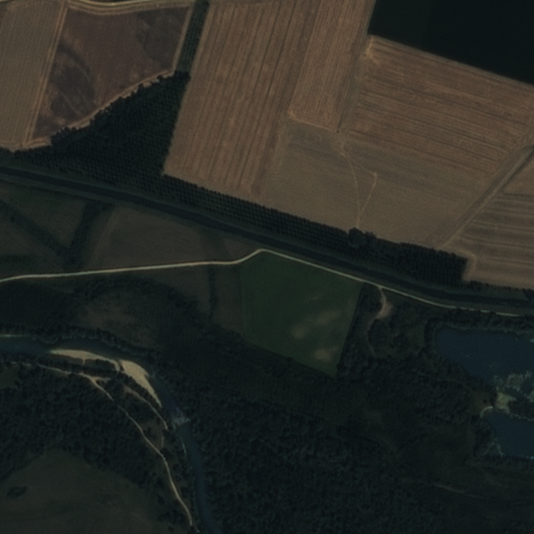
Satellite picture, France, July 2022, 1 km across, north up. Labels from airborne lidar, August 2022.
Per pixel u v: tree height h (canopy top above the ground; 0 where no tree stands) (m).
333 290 0
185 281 0
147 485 13
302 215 0
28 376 31
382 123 0
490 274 0
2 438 24
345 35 0
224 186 0
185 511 0
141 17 0
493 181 0
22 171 0
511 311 0
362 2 0
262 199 0
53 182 0
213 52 0
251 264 0
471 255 0
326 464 10
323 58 0
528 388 0
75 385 10
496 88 0
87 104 0
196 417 13
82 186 0
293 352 0
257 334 0
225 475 16
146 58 0
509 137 0
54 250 10
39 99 0
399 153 0
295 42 0
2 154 19
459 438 0
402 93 0
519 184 0
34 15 0
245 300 0
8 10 0
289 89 0
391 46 0
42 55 0
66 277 0
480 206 0
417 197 0
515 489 0
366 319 0
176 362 8
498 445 0
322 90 0
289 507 12
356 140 0
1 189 0
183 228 0
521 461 16
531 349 0
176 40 0
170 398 0
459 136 0
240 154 0
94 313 0
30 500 0
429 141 0
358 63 0
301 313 0
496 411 0
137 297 0
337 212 0
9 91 0
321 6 0
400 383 21
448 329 0
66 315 6
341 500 8
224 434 12
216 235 0
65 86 0
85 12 0
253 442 14
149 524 0
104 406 11
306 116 0
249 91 0
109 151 17
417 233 0
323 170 0
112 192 0
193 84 0
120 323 0
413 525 13
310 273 0
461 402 10
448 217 0
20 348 0
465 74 0
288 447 6
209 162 0
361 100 0
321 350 0
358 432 6
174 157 0
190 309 6
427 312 7
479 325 14
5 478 10
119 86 0
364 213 0
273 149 0
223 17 0
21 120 0
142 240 0
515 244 0
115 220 0
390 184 0
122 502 0
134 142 14
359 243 16
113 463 6
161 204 0
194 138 0
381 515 19
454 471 0
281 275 0
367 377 21
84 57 0
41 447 18
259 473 27
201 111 0
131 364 0
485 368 0
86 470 0
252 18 0
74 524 0
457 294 0
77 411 14
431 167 0
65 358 0
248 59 0
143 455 29
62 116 0
